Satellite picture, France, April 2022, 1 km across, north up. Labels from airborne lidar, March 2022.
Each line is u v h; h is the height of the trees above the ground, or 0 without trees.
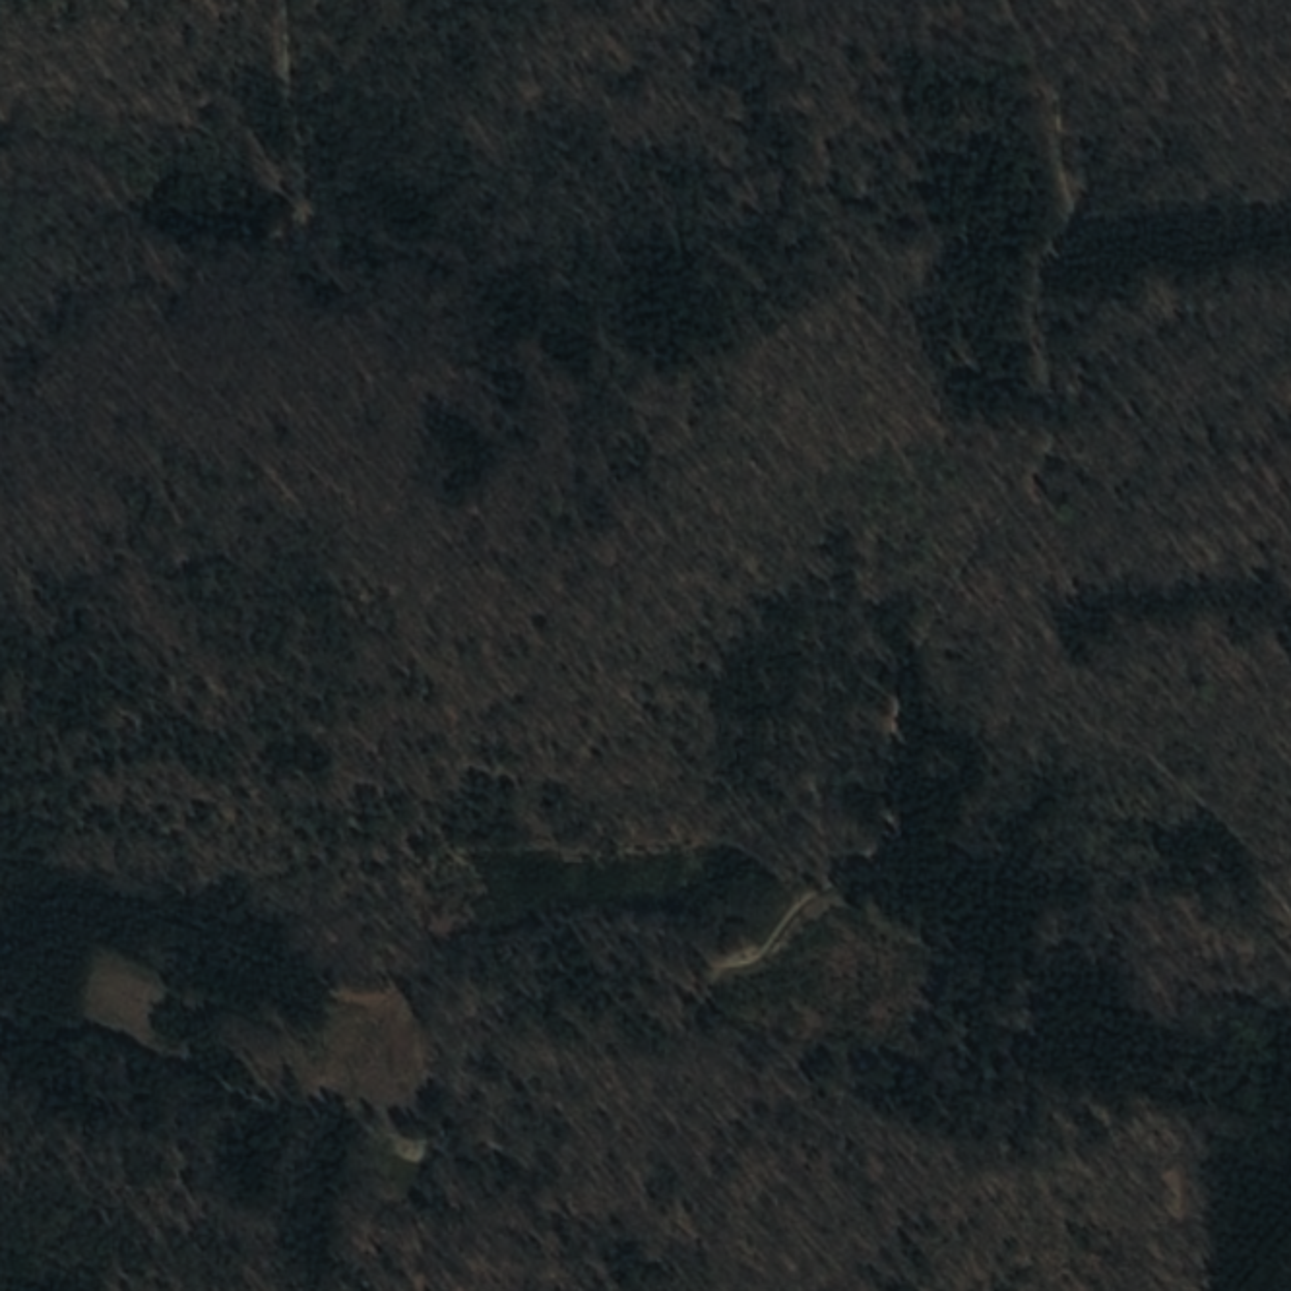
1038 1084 28
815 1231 27
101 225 23
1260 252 23
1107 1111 29
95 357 28
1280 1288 20
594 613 19
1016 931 26
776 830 22
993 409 30
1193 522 22
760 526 24
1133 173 24
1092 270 24
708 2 27
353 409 26
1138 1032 28
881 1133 25
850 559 24
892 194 27
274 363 28
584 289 22
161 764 24
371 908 23
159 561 20
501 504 27
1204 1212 25
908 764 22
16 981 30
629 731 17
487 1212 29
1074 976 30
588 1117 22
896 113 25
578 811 20
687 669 18
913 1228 22
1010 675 24
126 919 28
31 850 28
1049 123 29
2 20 23
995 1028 35
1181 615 20
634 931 23
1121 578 25
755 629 20
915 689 25
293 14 19
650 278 25
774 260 24
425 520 27
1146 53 27
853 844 29
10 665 26
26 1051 26
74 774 20
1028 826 21
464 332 25
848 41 28
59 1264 8
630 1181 25
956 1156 27
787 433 23
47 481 29
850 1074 25
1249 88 25
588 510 22
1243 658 26
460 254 22
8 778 22
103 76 23
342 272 27
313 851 21
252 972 25
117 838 23
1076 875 22
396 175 22
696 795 23
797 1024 8
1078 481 25
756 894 20
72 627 25
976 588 26
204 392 25
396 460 25
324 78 19
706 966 28
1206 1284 24
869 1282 22
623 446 22
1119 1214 22
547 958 23
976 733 19
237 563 20
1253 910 23
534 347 23
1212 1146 25
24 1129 31
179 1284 25
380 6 21
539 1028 25
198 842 18
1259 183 24
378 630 24
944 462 26
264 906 18
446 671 18
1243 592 25
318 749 17
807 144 24
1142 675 23
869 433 23
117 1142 28
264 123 15
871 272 24
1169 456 23
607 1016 26
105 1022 0
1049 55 27
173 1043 16
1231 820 19
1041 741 21
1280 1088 21
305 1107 22
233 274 33
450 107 21
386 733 15
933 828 26
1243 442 27
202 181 17
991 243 29
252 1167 26
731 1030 23
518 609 20
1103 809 21
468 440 26
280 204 14
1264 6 22
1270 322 23
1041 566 28
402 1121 0
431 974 26
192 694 22
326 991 24
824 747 22
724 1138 28
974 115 23
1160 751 21
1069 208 23
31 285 23
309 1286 31
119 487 29
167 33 23
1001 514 26
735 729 20
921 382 25
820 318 22
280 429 25
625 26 24
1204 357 24
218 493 27
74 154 27
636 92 25
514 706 21
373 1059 0
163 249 33
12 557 22
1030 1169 24
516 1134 27
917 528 21
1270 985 23
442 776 17
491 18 19
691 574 24
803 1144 28
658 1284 32
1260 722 23
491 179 21
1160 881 20
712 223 24
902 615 23
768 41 26
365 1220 30
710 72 27
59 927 24
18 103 24
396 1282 30
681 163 26
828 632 24
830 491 23
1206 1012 28
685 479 25
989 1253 21
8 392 29
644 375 23
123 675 22
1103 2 25
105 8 23
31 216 22
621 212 19
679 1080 25
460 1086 29
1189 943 26
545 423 27
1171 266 24
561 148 24
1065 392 25
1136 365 25
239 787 22
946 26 31
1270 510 26
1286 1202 22
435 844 27
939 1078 23
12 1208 24
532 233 24
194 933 20
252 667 25
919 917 28
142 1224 33
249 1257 31
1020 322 29
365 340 28
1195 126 24
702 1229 31
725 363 24
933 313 27
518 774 19
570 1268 26
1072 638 28
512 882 5
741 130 23
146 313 26
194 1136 28
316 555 21
